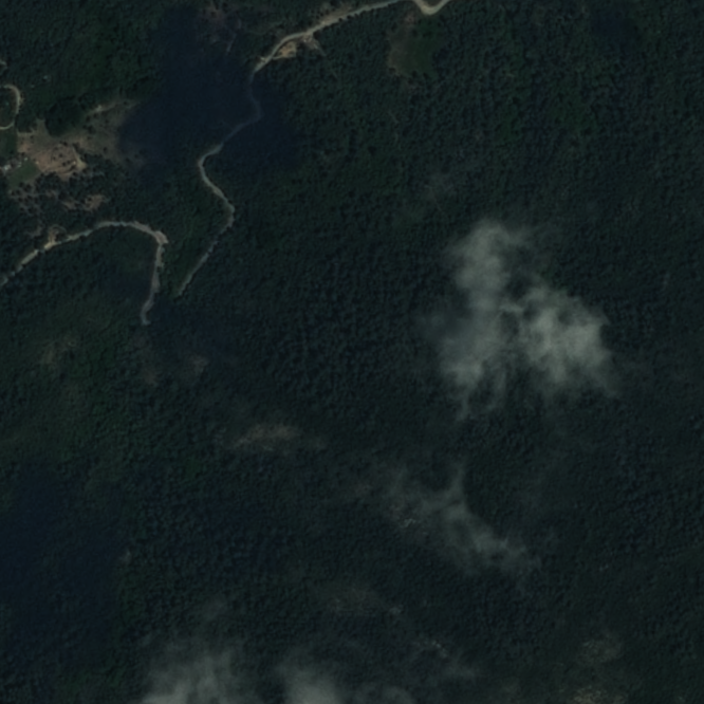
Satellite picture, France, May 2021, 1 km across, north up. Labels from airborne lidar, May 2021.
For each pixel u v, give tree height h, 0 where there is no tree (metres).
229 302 9
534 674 7
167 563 23
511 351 8
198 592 16
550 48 11
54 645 12
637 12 6
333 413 8
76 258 7
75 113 24
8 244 20
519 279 14
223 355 8
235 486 19
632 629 7
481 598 21
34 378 8
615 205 12
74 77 14
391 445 7
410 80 10
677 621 9
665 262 10
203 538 28
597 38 12
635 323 23
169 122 6
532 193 22
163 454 16
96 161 11
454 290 8
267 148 13
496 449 15
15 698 27
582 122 15
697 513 11
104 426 10
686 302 8
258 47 8
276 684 7
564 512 9
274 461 11
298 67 17
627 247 8
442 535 6
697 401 6
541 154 9
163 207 9
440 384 12
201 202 24
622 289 7
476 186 27
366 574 7
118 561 10
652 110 31
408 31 0
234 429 6
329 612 6
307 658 13
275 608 15
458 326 10
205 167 7
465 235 13
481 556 8
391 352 18
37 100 12
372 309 16
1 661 14
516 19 29
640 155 6
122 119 0
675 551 15
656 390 6
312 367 9
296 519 9
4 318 13
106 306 6
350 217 25
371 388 14
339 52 14
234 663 18
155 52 15
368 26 7
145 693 9
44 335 7
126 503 19
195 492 21
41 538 17
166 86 19
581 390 16
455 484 8
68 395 8
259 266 10
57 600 11
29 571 24
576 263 26
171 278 17
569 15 19
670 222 16
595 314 13
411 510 6
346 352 17
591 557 10
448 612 6
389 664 10
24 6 16
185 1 10
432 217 15
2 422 19
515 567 9
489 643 20
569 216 7
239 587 25
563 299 26
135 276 8
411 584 11
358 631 12
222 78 6
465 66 14
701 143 15
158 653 11
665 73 8
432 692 8
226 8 18
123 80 8
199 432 10
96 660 8
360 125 6
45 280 11
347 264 15
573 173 14
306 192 8
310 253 18
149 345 8
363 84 25
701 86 7
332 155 30
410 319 9
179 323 7
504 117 13
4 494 9
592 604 11
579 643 7
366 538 9
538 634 20
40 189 13
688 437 9
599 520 11
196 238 16
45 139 0
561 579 16
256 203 15
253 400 9
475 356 8
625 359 7
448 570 11
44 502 9
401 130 9
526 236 6
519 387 13
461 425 13
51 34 9
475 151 6
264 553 12
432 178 25
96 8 20
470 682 11
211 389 7
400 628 7
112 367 14
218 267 17
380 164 7
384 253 12
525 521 6
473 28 13
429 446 6
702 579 13
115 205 13
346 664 7
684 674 6
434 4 0
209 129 14
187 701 7
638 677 7
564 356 14
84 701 7
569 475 7
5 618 9
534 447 16
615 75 11
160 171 8
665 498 23
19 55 20
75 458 9
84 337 15
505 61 31
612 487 8
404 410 10
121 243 6
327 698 6
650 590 6
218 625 20
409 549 9
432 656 9
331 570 6
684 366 7
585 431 9
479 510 9
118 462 7
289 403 7
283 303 10
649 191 16
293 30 6
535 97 20
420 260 28
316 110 10
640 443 5
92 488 6
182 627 12
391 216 14
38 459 9
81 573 11
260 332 14
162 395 16
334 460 7
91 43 10
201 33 6
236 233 24
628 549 28
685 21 12
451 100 15
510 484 16
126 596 21
